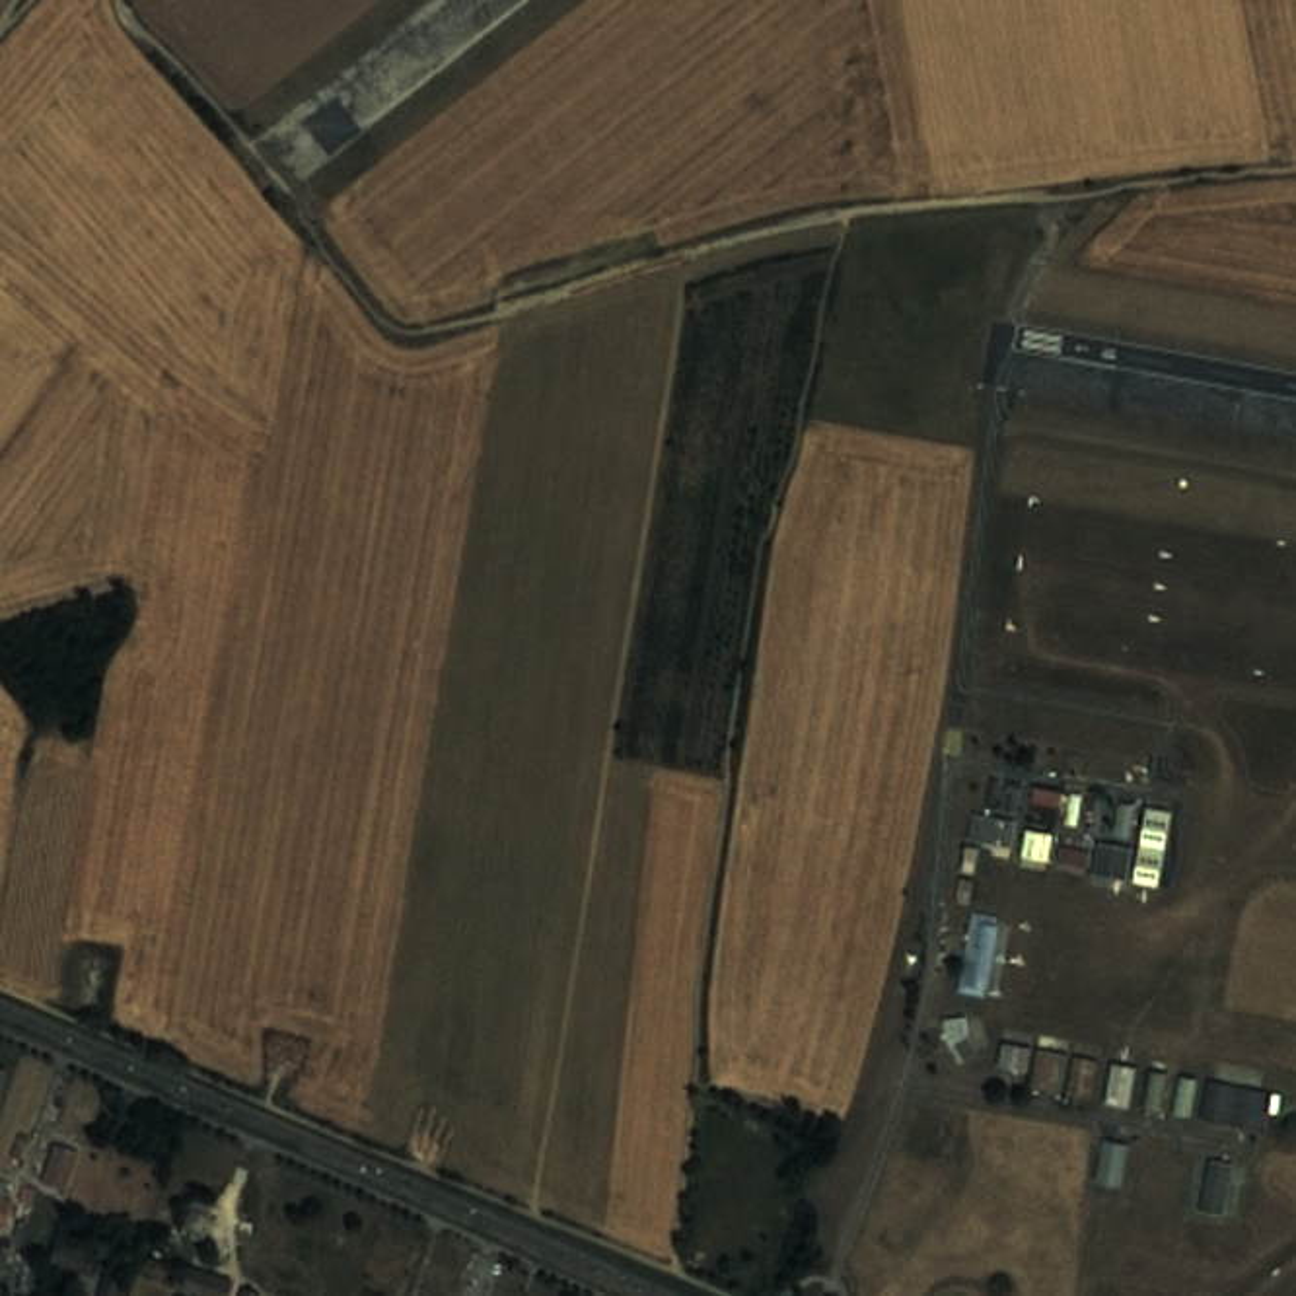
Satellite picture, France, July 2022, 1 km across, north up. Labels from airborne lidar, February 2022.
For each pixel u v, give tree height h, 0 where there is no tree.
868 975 0
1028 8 0
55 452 0
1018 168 0
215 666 0
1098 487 0
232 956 0
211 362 0
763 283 0
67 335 0
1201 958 0
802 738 0
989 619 0
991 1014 0
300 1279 0
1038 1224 0
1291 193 0
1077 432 0
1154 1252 0
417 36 0
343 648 0
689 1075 0
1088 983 0
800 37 0
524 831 0
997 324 0
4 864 0
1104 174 0
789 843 0
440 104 0
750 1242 0
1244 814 0
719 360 0
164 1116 7
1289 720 0
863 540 0
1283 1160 0
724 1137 0
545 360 0
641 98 0
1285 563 0
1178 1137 0
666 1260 0
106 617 8
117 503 0
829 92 0
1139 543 0
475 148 0
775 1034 0
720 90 0
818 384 0
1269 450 0
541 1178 0
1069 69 0
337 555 0
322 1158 0
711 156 0
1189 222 0
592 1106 0
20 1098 0
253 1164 0
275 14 0
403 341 0
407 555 0
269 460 0
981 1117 0
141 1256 8
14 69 0
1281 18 0
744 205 0
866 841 0
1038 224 0
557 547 0
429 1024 0
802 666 0
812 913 0
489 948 0
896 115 0
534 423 0
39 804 0
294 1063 0
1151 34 0
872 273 0
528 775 0
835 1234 0
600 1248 0
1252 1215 0
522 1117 0
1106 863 0
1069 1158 0
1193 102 0
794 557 0
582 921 0
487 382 0
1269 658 0
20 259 0
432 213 0
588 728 0
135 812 0
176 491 0
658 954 0
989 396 0
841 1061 0
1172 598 0
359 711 0
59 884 0
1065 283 0
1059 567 0
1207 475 0
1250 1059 0
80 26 0
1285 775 0
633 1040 0
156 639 0
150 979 0
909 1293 0
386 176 0
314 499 0
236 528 0
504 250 0
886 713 0
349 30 0
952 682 0
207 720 0
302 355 0
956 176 0
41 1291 6
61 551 0
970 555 0
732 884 0
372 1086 0
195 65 0
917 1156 0
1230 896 0
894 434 0
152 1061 12
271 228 0
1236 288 0
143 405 0
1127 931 0
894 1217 0
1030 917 0
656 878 0
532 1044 0
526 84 0
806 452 0
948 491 0
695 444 0
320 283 0
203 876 0
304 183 0
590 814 0
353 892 0
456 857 0
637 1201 0
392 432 0
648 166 0
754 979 0
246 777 0
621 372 0
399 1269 0
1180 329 0
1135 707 0
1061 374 0
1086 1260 0
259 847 0
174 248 0
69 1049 0
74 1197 0
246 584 0
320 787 0
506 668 0
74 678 7
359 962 0
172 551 0
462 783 0
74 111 0
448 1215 0
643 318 0
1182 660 0
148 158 0
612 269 0
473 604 0
